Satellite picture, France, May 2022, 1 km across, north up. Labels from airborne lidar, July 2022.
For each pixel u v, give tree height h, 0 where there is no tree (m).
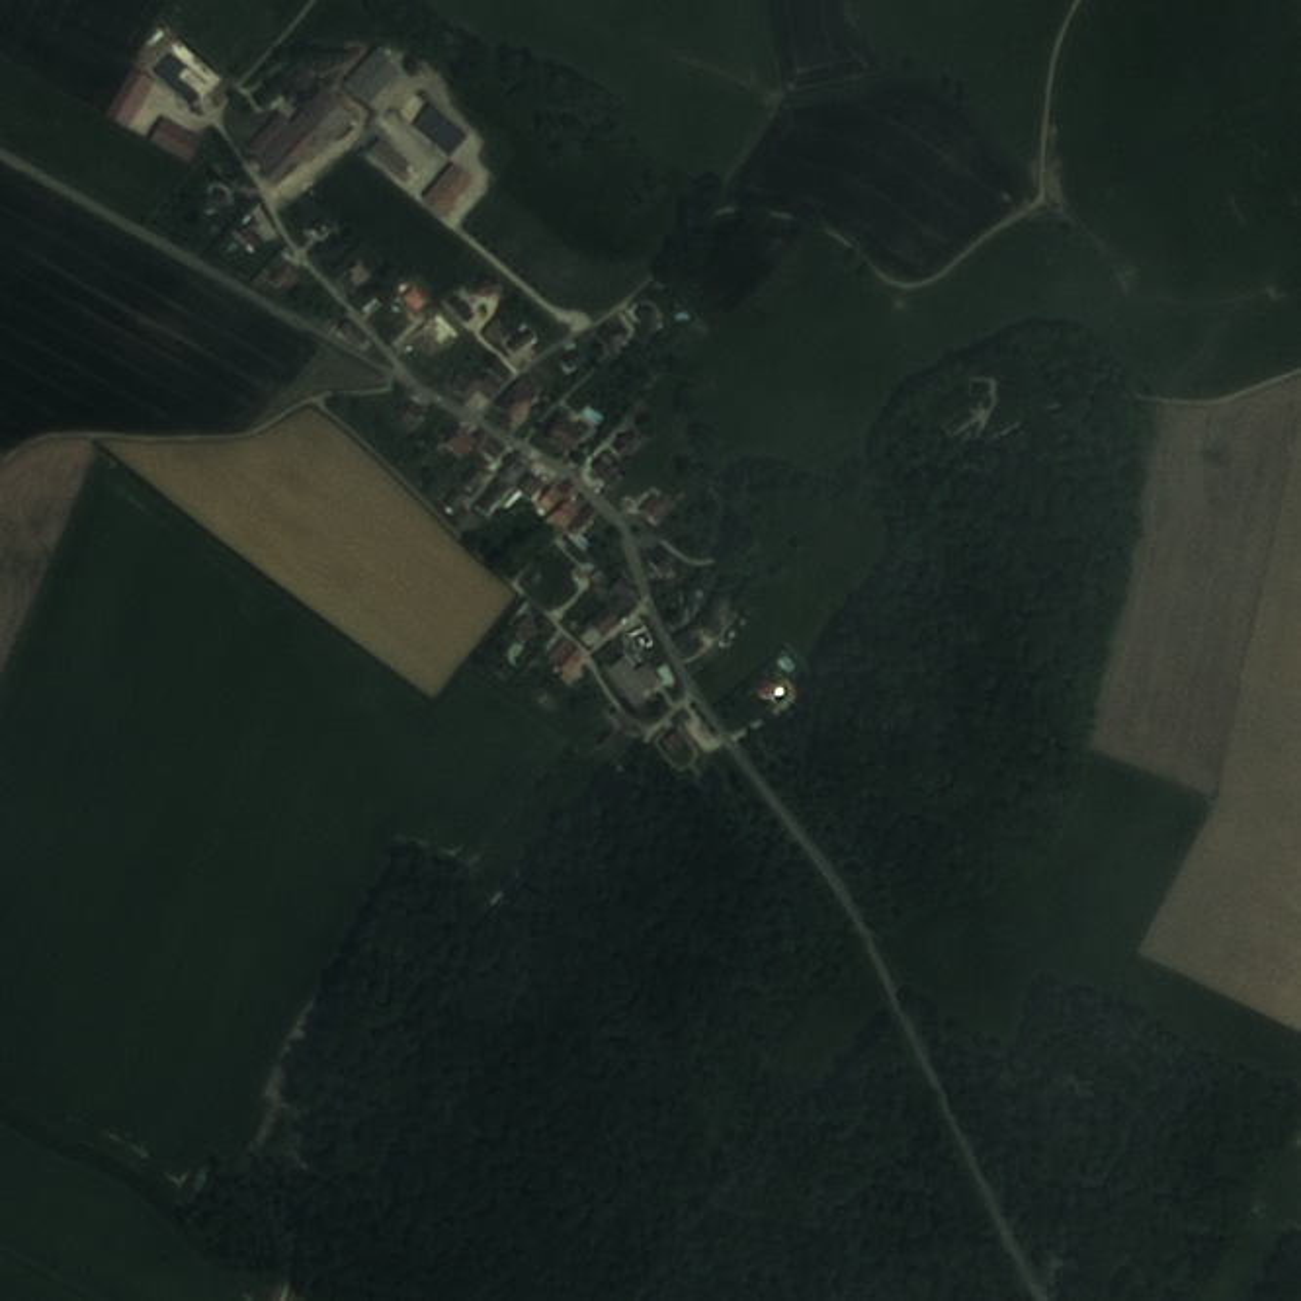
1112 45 0
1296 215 0
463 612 0
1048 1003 22
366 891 0
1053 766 19
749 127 0
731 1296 21
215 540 0
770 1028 23
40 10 0
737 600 6
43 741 0
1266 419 0
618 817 24
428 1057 28
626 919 25
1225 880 0
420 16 26
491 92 0
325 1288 27
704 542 7
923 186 0
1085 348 22
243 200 15
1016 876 21
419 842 0
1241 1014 0
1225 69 0
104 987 0
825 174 0
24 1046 0
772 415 0
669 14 0
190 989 0
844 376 0
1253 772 0
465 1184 26
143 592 0
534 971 30
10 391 0
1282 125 0
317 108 0
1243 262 0
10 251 0
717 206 13
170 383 0
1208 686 0
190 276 0
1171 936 0
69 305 0
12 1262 0
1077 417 17
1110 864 0
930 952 0
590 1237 23
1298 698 0
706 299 0
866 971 0
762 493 21
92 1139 0
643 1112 31
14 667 0
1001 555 24
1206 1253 25
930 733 26
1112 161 0
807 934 25
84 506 0
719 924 30
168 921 0
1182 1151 24
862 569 0
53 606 0
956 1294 28
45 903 0
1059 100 0
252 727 0
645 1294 19
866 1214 23
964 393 0
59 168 0
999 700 29
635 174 0
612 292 0
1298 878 0
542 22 0
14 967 0
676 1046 26
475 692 0
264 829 0
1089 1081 20
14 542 0
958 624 24
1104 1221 20
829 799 23
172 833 0
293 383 0
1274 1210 0
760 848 17
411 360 0
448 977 25
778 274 0
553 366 0
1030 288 0
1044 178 0
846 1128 22
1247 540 0
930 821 25
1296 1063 0
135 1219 0
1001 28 0
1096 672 18
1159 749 0
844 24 0
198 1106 0
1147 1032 16
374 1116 24
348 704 0
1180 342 0
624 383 11
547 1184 24
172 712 0
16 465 0
